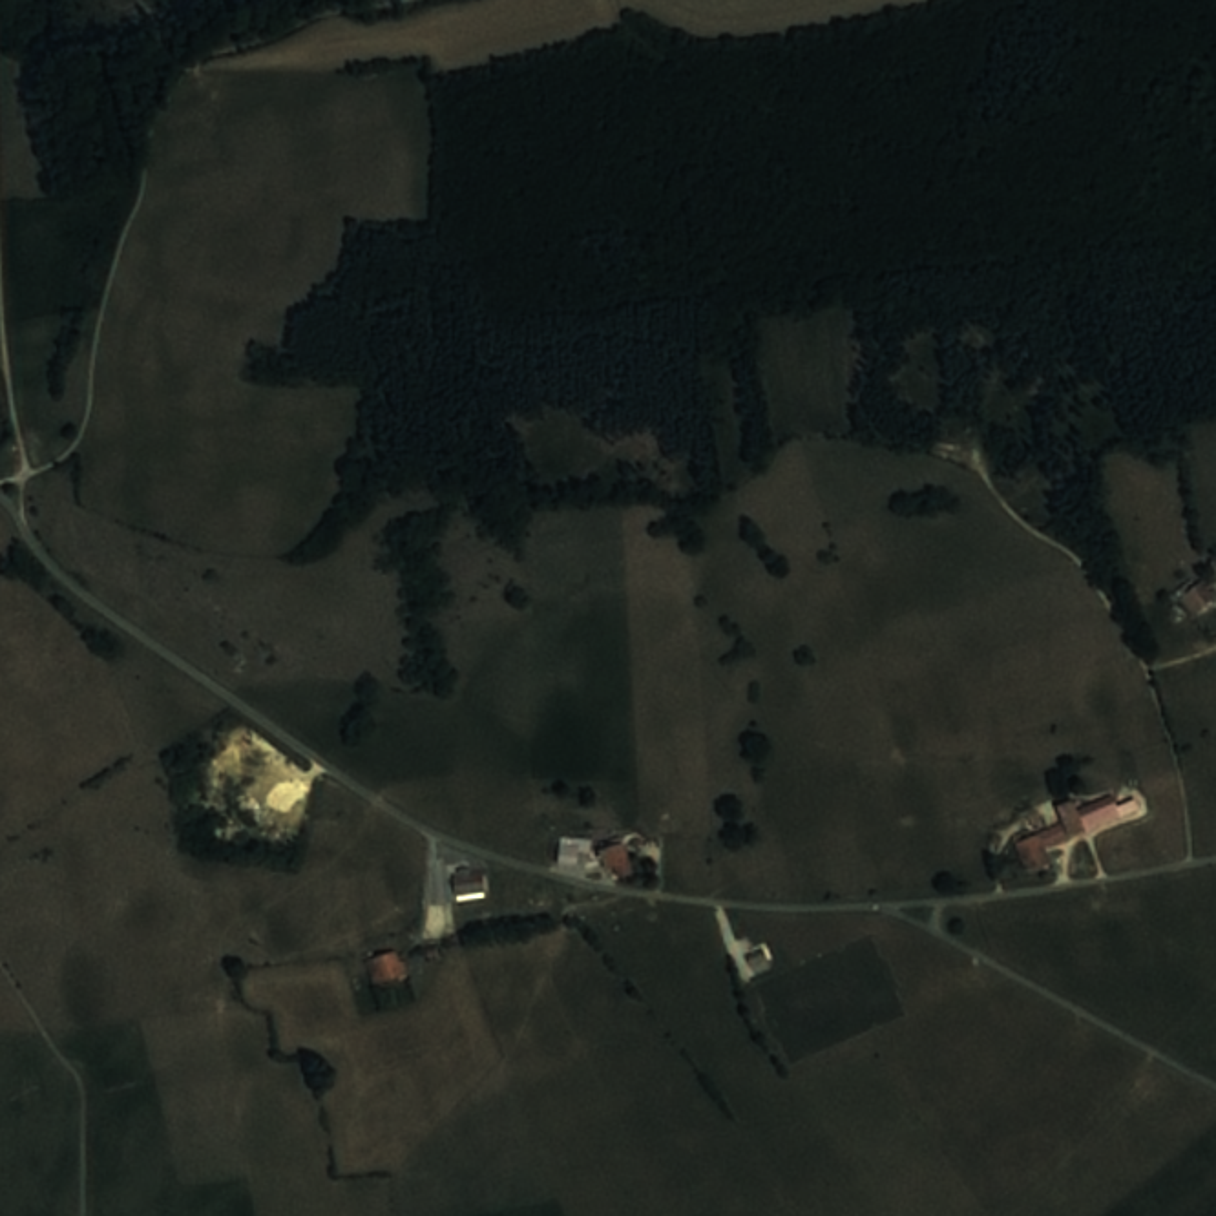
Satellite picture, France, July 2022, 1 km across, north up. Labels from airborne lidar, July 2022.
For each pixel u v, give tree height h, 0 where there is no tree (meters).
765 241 12
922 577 0
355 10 22
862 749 0
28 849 0
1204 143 18
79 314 12
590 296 16
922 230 12
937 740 0
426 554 7
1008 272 14
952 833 0
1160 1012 0
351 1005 0
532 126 11
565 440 0
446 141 10
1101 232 11
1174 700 0
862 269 12
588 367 25
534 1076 0
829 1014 0
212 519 0
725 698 0
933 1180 0
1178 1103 0
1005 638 0
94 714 0
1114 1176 0
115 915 0
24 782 0
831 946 0
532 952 0
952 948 0
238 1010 0
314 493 0
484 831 0
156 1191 0
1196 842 0
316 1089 25
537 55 11
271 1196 0
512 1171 0
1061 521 11
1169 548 0
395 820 0
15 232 0
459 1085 0
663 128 11
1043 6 16
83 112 26
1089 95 10
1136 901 0
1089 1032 0
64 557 0
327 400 0
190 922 0
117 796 0
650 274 12
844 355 0
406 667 11
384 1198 0
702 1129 0
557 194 12
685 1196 0
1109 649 0
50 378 7
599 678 0
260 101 0
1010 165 11
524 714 0
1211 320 22
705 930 0
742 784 0
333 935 0
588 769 0
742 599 0
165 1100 0
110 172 16
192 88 0
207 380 0
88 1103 0
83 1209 0
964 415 19
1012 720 0
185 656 0
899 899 0
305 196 0
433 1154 0
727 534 0
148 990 0
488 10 0
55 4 23
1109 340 18
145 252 0
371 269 17
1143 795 0
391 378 20
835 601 0
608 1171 0
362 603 0
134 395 0
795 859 0
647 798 0
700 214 17
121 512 0
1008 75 24
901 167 13
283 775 0
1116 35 12
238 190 0
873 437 14
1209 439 0
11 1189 0
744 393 16
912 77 14
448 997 0
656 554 0
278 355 10
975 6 14
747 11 0
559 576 0
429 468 15
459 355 22
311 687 0
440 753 0
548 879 0
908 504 17
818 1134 0
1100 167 14
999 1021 0
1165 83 14
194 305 0
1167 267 12
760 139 11
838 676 0
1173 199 12
